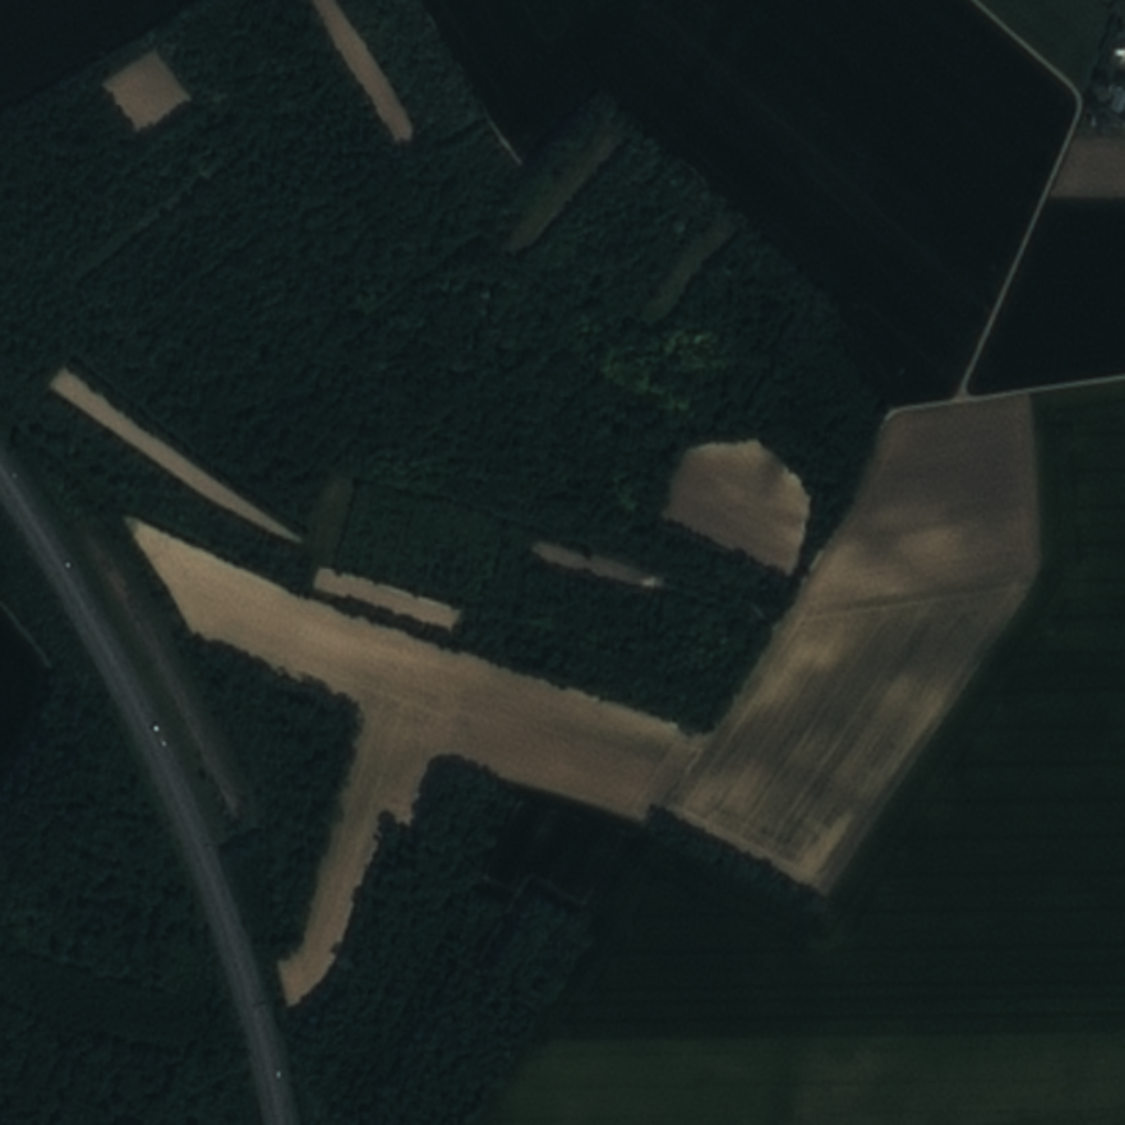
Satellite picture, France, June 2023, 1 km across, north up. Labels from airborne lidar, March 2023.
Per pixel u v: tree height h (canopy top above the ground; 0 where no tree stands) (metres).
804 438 18
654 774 0
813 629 0
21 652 0
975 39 0
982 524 0
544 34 0
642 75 0
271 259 13
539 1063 0
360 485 9
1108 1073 0
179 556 0
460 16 0
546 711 0
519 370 8
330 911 0
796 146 0
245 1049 12
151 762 0
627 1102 0
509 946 17
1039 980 0
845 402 15
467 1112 16
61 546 0
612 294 10
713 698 10
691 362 12
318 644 0
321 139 12
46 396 6
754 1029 0
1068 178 0
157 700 0
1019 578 0
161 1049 20
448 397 18
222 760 0
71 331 16
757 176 0
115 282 11
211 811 0
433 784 18
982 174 0
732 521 0
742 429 9
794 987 0
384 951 11
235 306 9
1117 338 0
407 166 17
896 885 0
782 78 0
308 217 18
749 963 0
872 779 0
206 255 13
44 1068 22
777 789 0
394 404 15
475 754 0
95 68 12
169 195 10
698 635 12
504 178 9
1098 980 0
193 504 6
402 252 17
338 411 17
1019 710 0
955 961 0
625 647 15
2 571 16
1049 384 0
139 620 0
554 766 0
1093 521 0
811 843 0
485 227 19
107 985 18
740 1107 0
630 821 0
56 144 18
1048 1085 0
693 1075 0
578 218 12
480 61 0
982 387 0
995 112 0
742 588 10
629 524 10
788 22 0
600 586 16
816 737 0
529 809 0
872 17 0
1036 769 0
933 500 0
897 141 0
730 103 0
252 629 0
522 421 13
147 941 24
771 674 0
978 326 0
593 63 0
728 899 0
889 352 0
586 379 12
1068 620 0
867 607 0
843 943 0
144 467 7
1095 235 0
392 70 12
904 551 0
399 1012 6
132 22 0
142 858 10
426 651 0
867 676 0
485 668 0
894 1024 0
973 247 0
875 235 0
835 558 0
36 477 10
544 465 11
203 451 6
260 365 11
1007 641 0
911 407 0
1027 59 0
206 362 8
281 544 12
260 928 13
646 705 11
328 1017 13
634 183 8
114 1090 6
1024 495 0
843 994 0
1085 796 0
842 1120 0
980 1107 0
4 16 0
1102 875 0
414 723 0
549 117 0
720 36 0
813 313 15
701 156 0
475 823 17
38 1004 18
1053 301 0
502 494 9
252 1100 7
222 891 0
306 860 22
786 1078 0
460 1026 19
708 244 0
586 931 21
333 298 15
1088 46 0
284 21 17
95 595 0
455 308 19
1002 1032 0
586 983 0
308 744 19
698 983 0
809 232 0
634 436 17
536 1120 0
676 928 0
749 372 16
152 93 0
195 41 14
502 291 20
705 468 0
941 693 0
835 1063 0
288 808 16
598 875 0
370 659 0
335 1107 16
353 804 0
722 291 10
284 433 20
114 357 11
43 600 14
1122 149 0
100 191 18
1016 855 0
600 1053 0
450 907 22
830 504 13
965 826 0
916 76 0
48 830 18
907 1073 0
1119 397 0
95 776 8
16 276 14
